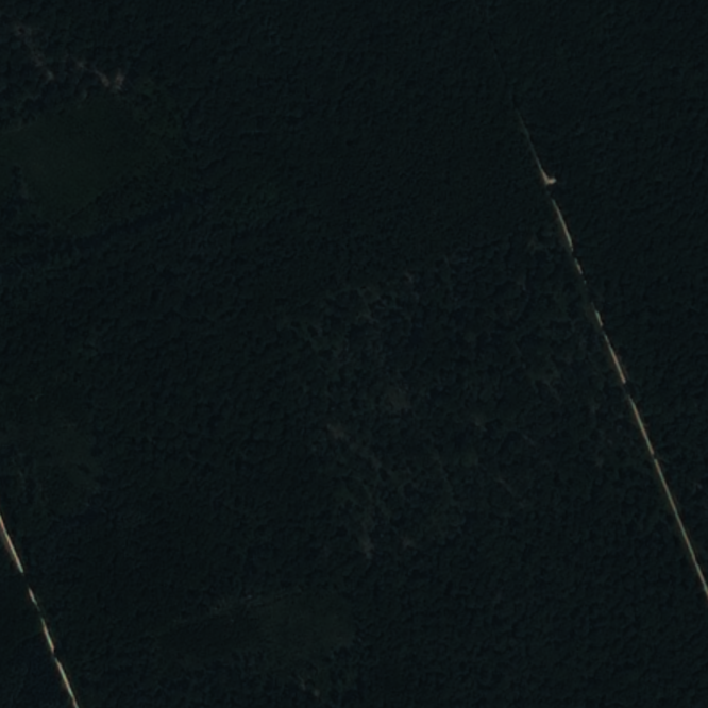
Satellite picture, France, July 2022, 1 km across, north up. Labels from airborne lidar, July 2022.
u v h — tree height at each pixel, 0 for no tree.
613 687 21
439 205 18
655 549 25
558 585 22
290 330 20
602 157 27
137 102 9
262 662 20
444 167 17
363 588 23
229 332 22
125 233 21
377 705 19
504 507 25
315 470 25
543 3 17
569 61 22
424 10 19
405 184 18
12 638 27
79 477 0
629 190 20
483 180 16
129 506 26
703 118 24
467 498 25
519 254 25
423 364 26
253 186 12
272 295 18
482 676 23
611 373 24
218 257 22
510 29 19
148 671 21
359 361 25
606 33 19
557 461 26
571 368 23
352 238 16
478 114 20
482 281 27
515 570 21
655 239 24
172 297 25
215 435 23
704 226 20
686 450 23
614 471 21
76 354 24
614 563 24
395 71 17
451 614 21
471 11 17
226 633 7
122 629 24
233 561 23
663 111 21
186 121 19
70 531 24
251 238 22
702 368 23
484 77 21
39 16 26
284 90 23
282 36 18
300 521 21
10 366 28
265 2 24
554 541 20
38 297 29
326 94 20
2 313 31
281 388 24
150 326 23
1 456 20
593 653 20
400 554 25
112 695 26
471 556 22
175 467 25
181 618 14
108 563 23
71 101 26
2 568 20
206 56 19
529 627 21
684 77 24
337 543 19
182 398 24
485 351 27
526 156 19
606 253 24
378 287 21
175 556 26
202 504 25
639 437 25
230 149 24
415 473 21
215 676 20
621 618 22
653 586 26
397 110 24
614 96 28
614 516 14
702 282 20
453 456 27
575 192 24
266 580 18
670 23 25
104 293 23
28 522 24
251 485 28
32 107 25
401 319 25
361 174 21
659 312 24
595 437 22
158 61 14
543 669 24
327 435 22
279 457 22
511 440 26
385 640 21
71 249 27
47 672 20
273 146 23
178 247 26
